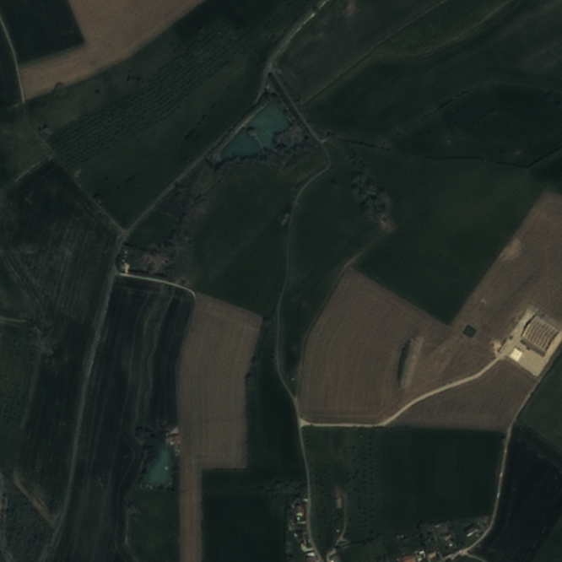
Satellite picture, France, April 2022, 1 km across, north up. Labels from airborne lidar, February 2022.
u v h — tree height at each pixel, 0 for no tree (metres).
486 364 0
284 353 0
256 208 0
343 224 0
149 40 0
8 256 0
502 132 0
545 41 0
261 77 0
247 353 0
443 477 0
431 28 0
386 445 0
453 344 0
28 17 0
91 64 0
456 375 0
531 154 0
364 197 18
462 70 0
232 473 0
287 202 0
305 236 0
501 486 0
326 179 0
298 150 16
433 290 0
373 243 0
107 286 0
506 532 0
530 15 0
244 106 0
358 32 0
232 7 0
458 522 0
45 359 0
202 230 0
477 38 0
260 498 0
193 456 0
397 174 0
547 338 0
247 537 0
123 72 0
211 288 0
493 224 0
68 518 0
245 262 0
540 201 0
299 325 0
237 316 0
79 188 0
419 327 0
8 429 0
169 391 0
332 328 0
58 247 0
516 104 0
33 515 21
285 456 0
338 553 9
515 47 0
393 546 0
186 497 0
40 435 0
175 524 0
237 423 0
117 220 0
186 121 0
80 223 0
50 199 0
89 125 7
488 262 0
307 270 0
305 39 0
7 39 0
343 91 0
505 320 0
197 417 0
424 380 0
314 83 0
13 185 0
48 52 0
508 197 0
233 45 6
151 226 0
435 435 0
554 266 0
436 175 0
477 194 0
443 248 0
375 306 0
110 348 0
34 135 0
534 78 0
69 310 0
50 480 0
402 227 0
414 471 0
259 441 0
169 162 0
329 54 0
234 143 0
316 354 0
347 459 0
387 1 0
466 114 0
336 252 0
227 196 0
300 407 0
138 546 0
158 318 0
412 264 0
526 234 0
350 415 0
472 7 0
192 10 0
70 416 0
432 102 0
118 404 0
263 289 0
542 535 0
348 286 0
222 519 0
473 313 0
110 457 0
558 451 0
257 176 0
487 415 0
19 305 0
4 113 0
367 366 0
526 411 0
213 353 0
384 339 0
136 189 0
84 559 0
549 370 0
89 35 0
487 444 0
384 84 0
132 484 0
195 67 7
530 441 0
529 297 0
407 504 0
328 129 0
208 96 0
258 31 0
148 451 16
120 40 0
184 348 0
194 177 5
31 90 0
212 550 0
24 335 0
